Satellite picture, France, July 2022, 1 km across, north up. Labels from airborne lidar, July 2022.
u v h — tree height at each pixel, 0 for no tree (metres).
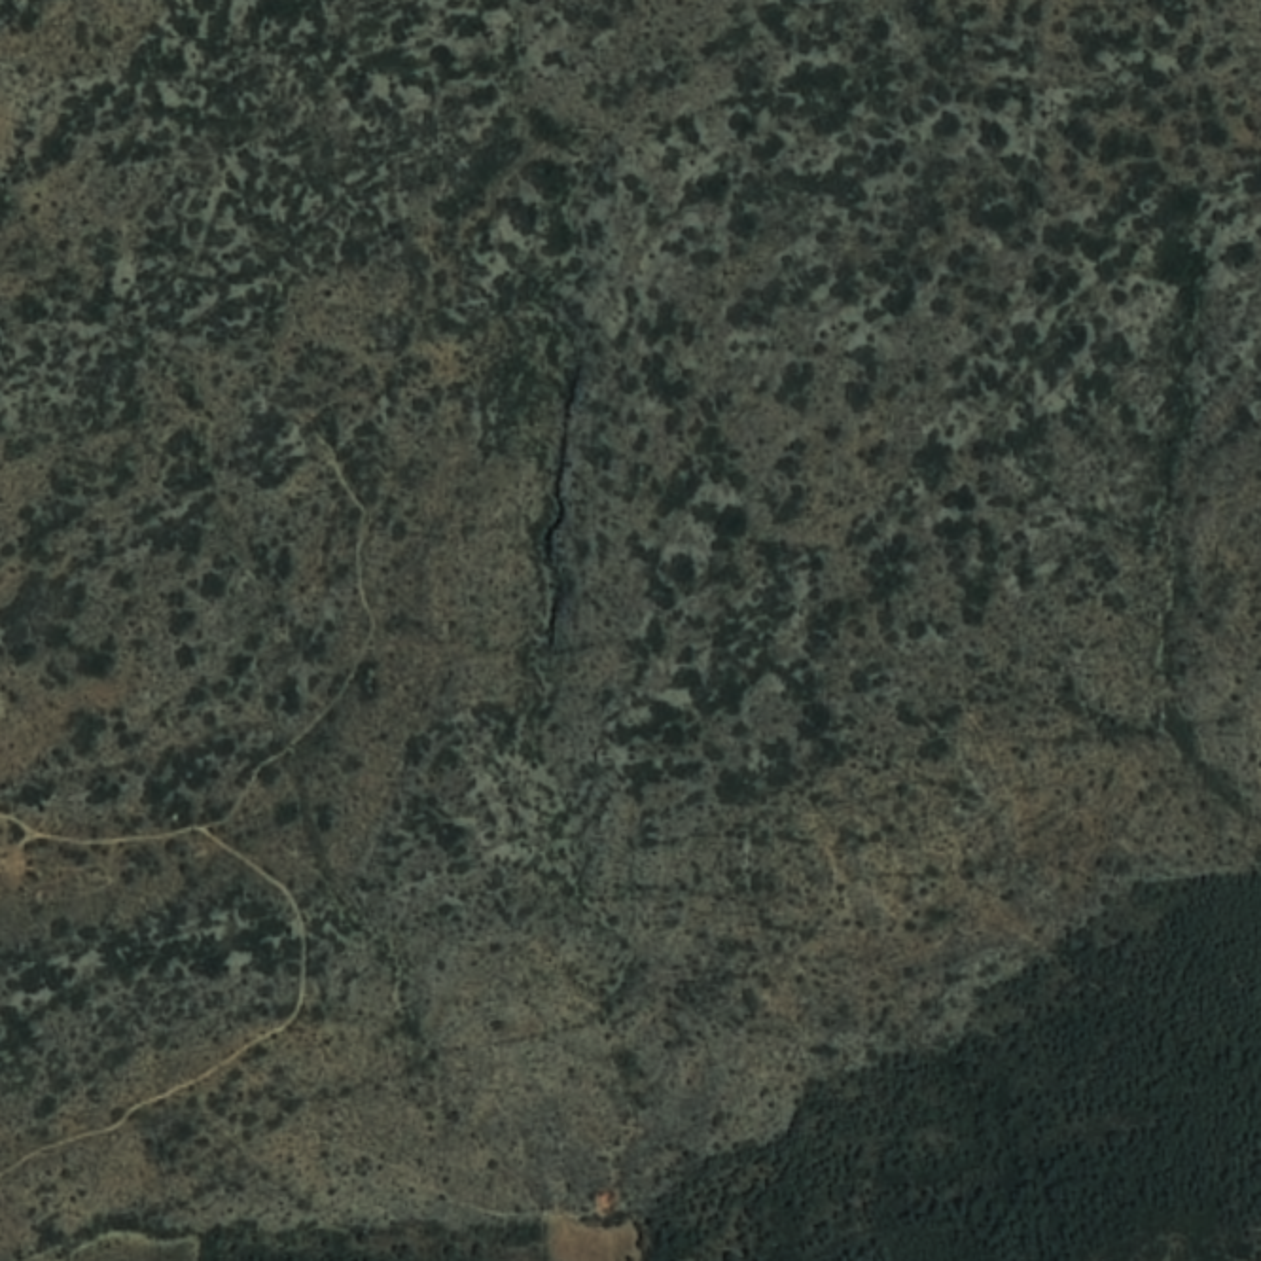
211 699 0
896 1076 8
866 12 0
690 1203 6
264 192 0
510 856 0
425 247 0
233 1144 0
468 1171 0
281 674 0
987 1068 8
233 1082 0
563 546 0
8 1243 0
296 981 0
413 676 0
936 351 0
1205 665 0
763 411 0
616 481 0
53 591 0
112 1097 0
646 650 0
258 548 0
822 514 0
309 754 0
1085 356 0
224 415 0
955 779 0
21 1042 0
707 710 0
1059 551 0
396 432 0
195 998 0
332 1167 0
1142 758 0
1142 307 0
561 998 0
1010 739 0
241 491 0
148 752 0
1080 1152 10
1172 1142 10
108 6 0
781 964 0
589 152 0
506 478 0
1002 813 0
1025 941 0
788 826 0
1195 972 9
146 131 0
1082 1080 7
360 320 0
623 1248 0
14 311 0
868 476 0
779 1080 0
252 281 0
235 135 0
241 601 0
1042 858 0
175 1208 0
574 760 0
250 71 0
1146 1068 10
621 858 0
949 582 0
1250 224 0
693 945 0
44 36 0
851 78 0
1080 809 0
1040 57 0
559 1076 0
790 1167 9
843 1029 0
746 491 0
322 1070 0
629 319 0
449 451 0
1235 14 0
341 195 0
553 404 0
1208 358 0
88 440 0
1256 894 12
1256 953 11
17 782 0
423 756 0
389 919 0
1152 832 0
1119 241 0
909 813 0
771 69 0
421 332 0
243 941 0
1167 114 0
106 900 0
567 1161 0
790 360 0
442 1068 0
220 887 0
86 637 0
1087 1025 8
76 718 0
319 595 0
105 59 0
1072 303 0
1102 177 0
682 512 0
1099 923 8
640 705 0
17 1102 0
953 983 0
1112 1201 7
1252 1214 11
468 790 0
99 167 0
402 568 0
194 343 0
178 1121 0
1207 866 0
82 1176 0
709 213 0
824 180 0
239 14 0
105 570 0
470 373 0
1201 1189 7
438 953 0
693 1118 0
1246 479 0
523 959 0
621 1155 0
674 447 0
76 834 0
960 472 0
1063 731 0
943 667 0
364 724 0
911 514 0
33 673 0
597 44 0
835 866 0
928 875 0
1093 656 0
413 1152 0
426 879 0
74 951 0
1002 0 0
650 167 0
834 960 0
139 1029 0
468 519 0
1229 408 0
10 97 0
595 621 0
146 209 0
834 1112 11
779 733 0
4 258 0
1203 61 0
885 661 0
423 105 0
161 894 0
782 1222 7
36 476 0
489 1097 0
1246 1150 13
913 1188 11
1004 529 0
